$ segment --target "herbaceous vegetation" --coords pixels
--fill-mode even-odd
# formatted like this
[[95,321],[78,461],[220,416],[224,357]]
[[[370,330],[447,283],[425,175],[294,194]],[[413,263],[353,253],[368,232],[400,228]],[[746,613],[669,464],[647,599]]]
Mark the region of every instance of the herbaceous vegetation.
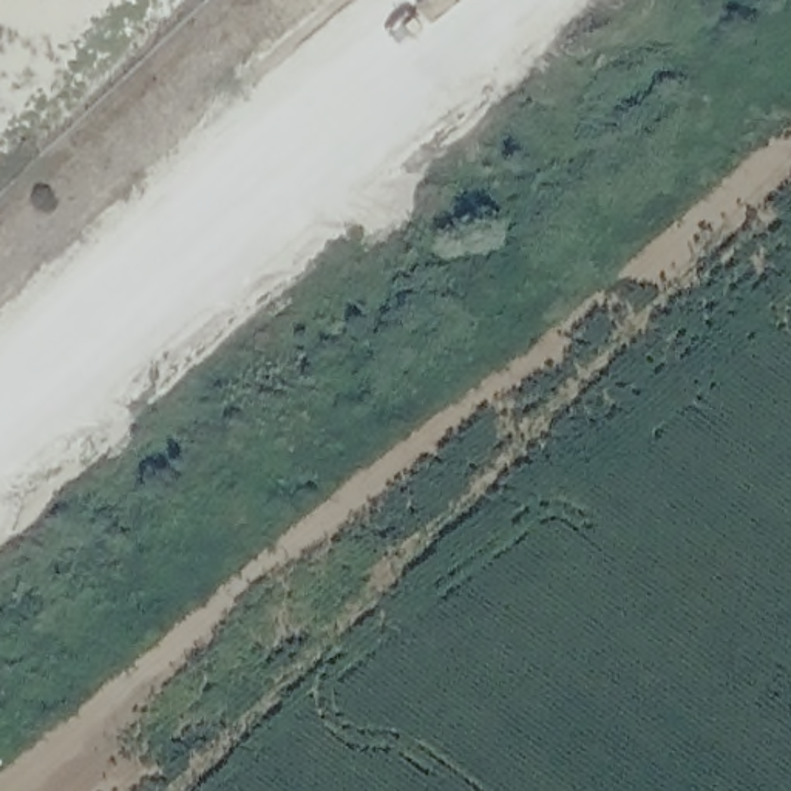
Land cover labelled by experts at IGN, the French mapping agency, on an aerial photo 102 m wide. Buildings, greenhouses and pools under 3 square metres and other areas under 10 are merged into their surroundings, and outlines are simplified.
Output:
[[0,133],[0,309],[31,284],[31,278],[46,263],[59,260],[71,244],[87,241],[87,235],[99,226],[108,207],[130,201],[133,195],[142,195],[145,173],[179,151],[179,142],[198,127],[210,99],[226,93],[238,99],[244,93],[244,87],[235,77],[235,68],[263,46],[263,40],[272,40],[284,34],[290,25],[297,25],[315,0],[102,0],[108,12],[102,19],[93,19],[93,28],[83,34],[83,46],[77,49],[71,65],[62,74],[56,74],[53,87],[59,93],[37,96],[31,111],[12,117],[9,130]]
[[485,121],[470,136],[454,142],[448,151],[429,139],[414,158],[405,161],[405,173],[414,173],[420,182],[414,192],[414,213],[402,229],[377,241],[374,235],[365,235],[362,226],[349,226],[349,232],[331,241],[284,294],[260,306],[260,312],[247,324],[241,324],[207,362],[192,368],[164,399],[158,399],[154,405],[142,399],[130,402],[133,423],[127,445],[142,457],[161,454],[170,442],[173,429],[188,420],[207,420],[210,414],[226,411],[229,405],[238,405],[238,420],[247,420],[263,396],[287,396],[287,386],[297,377],[306,377],[300,371],[300,346],[315,343],[318,334],[340,334],[346,321],[346,306],[358,306],[365,321],[374,321],[374,312],[383,303],[383,297],[396,294],[392,272],[405,272],[414,260],[423,260],[436,250],[436,238],[442,232],[433,229],[433,216],[451,210],[457,195],[470,192],[467,185],[473,176],[528,170],[528,161],[516,151],[519,142],[535,130],[531,108],[538,102],[556,105],[575,99],[578,93],[587,93],[584,80],[596,74],[606,62],[621,56],[621,43],[649,43],[658,34],[658,25],[667,15],[664,9],[674,0],[575,0],[584,15],[562,25],[550,49],[531,65],[531,71],[513,90],[507,90],[501,102],[491,105]]

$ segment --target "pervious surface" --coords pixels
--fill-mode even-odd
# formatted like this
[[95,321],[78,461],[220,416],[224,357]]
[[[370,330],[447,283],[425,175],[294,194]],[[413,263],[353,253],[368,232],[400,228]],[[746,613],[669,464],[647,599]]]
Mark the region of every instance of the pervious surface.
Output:
[[244,87],[244,93],[238,99],[226,93],[210,99],[198,127],[179,142],[179,151],[145,173],[142,195],[133,195],[130,201],[108,207],[99,226],[87,235],[87,241],[71,244],[59,260],[46,263],[31,278],[31,284],[0,309],[0,544],[6,544],[12,535],[22,535],[53,504],[62,485],[77,479],[99,457],[121,454],[127,445],[133,423],[130,402],[142,399],[154,405],[158,399],[164,399],[192,368],[207,362],[241,324],[247,324],[260,312],[260,306],[284,294],[331,241],[349,232],[349,226],[362,226],[365,235],[374,235],[377,241],[402,229],[414,213],[414,192],[420,182],[414,173],[405,173],[405,161],[414,158],[429,139],[448,151],[454,142],[470,136],[485,121],[491,105],[501,102],[507,90],[513,90],[531,71],[531,65],[550,49],[562,25],[584,15],[575,0],[315,0],[297,25],[290,25],[284,34],[272,40],[263,40],[263,46],[235,68],[235,77]]
[[71,65],[77,49],[83,46],[83,34],[93,28],[93,19],[102,19],[108,12],[102,0],[0,0],[0,133],[9,130],[12,117],[31,111],[37,96],[59,93],[53,87],[56,74],[62,74]]

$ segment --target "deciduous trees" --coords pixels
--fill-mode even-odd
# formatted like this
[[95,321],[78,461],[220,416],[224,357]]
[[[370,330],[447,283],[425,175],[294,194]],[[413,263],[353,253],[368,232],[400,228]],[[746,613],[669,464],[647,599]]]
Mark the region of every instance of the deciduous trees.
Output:
[[167,470],[173,460],[179,460],[179,445],[170,442],[161,454],[142,457],[136,463],[136,482],[145,488],[148,479]]
[[442,232],[436,238],[436,250],[439,256],[488,253],[497,250],[507,238],[507,226],[501,219],[473,216],[463,216],[454,229]]

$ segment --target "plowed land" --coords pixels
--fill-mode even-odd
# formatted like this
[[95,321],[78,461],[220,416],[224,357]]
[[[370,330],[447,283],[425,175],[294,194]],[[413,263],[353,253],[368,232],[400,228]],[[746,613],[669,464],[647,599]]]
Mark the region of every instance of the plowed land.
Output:
[[355,510],[368,507],[374,494],[386,491],[396,473],[411,470],[411,463],[420,454],[436,454],[439,439],[460,420],[467,420],[485,396],[491,396],[494,389],[519,386],[531,371],[541,371],[547,362],[559,362],[569,340],[556,331],[569,331],[578,318],[584,318],[590,306],[603,303],[603,294],[596,290],[578,300],[559,318],[559,324],[553,324],[525,355],[513,358],[504,371],[488,374],[479,386],[473,386],[454,405],[433,414],[371,467],[349,476],[324,504],[318,504],[309,516],[287,528],[272,550],[263,550],[235,578],[219,584],[219,590],[201,609],[188,612],[179,624],[173,624],[154,649],[139,655],[133,667],[121,670],[90,701],[83,701],[74,717],[43,732],[37,745],[31,745],[6,769],[0,769],[0,791],[130,791],[130,785],[136,785],[139,779],[161,772],[158,763],[108,763],[108,754],[121,748],[121,729],[136,720],[133,704],[148,704],[148,695],[161,692],[161,683],[182,664],[182,658],[198,643],[210,640],[216,621],[235,606],[238,593],[244,593],[247,584],[266,569],[297,559],[303,547],[334,535]]
[[686,275],[698,263],[698,256],[704,256],[714,244],[720,244],[729,232],[742,226],[748,204],[763,201],[769,192],[791,179],[791,142],[769,139],[766,148],[748,154],[708,198],[692,204],[674,226],[667,226],[655,241],[649,241],[640,256],[624,263],[624,278],[655,281],[658,275]]

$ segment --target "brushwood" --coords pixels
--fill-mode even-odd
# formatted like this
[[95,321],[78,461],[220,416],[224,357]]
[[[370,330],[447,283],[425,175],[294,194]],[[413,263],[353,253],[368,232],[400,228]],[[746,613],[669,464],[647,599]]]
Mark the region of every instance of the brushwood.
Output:
[[473,216],[501,219],[507,226],[507,238],[497,250],[488,253],[439,256],[436,250],[423,260],[414,260],[405,272],[392,272],[396,294],[383,297],[383,303],[374,312],[374,321],[365,321],[358,306],[346,306],[346,321],[340,334],[318,334],[315,343],[300,346],[300,371],[306,377],[297,377],[287,386],[287,396],[263,396],[247,420],[238,420],[238,405],[229,405],[226,411],[210,414],[207,420],[188,420],[173,429],[170,442],[179,445],[179,460],[173,460],[167,470],[148,479],[145,488],[136,482],[136,463],[142,457],[127,445],[121,454],[99,457],[77,479],[62,485],[53,504],[22,535],[12,535],[6,544],[0,544],[0,769],[6,769],[31,745],[37,745],[43,732],[74,717],[83,701],[90,701],[121,670],[133,667],[139,655],[154,649],[173,624],[179,624],[188,612],[201,609],[219,590],[219,584],[235,578],[263,550],[272,550],[287,528],[309,516],[318,504],[324,504],[349,476],[371,467],[433,414],[454,405],[473,386],[479,386],[488,374],[504,371],[513,358],[525,355],[553,324],[559,324],[559,318],[578,300],[596,290],[603,294],[609,290],[609,284],[624,278],[624,263],[640,256],[649,241],[655,241],[667,226],[674,226],[692,204],[708,198],[748,154],[766,148],[769,139],[791,142],[791,0],[674,0],[664,9],[667,15],[658,25],[658,34],[649,43],[621,43],[621,56],[606,62],[596,74],[584,80],[587,93],[578,93],[575,99],[556,105],[538,102],[531,108],[535,130],[519,142],[516,151],[528,161],[528,170],[473,176],[467,185],[470,192],[457,195],[451,210],[433,216],[433,229],[442,232],[454,229],[463,216]]

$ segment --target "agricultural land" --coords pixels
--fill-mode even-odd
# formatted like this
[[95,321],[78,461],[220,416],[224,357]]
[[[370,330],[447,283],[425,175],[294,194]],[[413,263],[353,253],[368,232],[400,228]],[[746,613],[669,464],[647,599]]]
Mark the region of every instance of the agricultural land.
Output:
[[609,284],[609,290],[603,294],[603,303],[590,306],[584,318],[578,318],[569,331],[556,331],[569,340],[559,362],[547,362],[541,371],[531,371],[519,386],[494,389],[491,396],[485,396],[467,420],[460,420],[439,439],[436,454],[420,454],[411,463],[411,470],[396,473],[386,491],[374,494],[368,507],[355,510],[334,535],[303,547],[297,559],[266,569],[247,584],[244,593],[238,593],[235,606],[216,621],[210,640],[198,643],[182,658],[182,664],[161,683],[161,692],[148,695],[148,704],[133,704],[136,720],[121,729],[121,748],[108,754],[108,763],[158,763],[161,772],[139,779],[136,785],[130,785],[130,791],[791,791],[791,179],[769,192],[763,201],[748,204],[742,226],[729,232],[720,244],[714,244],[704,256],[698,256],[698,263],[686,275],[658,275],[655,281],[624,278]]

